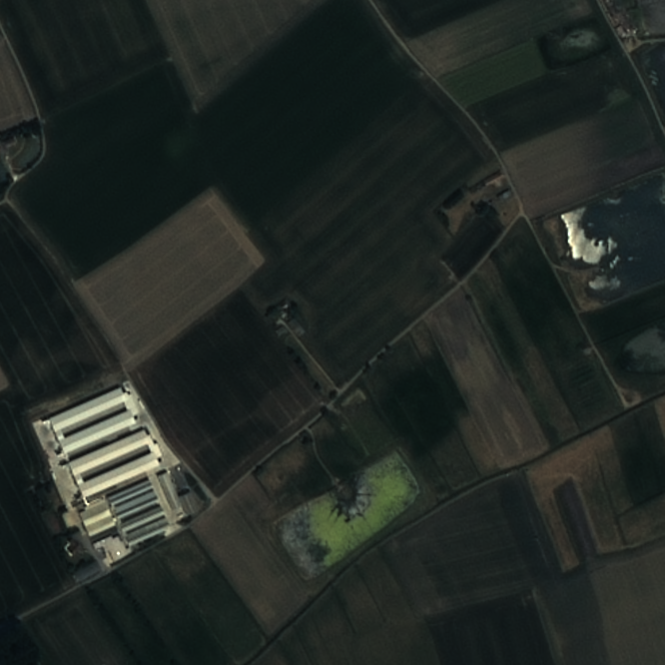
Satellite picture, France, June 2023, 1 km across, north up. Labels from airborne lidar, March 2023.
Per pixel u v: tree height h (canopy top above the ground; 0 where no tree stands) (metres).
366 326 0
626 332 0
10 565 0
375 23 0
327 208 0
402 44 0
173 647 0
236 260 0
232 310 0
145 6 0
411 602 0
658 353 0
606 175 0
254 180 0
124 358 0
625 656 0
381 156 0
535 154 0
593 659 0
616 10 0
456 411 0
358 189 0
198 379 0
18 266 0
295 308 12
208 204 0
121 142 0
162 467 0
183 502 0
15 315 0
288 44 0
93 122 0
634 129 0
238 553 0
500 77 0
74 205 0
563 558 0
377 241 0
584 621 0
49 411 0
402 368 0
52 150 0
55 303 0
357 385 0
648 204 0
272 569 0
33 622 0
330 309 0
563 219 0
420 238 0
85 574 0
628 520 0
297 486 0
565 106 0
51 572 0
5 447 0
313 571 0
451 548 0
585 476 0
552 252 0
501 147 0
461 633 0
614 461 0
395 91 0
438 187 0
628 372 0
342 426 0
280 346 0
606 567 0
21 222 0
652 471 0
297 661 0
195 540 0
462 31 0
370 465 0
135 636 0
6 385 0
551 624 0
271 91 0
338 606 0
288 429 0
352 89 0
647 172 0
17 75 0
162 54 0
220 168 0
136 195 0
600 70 0
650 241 0
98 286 0
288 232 0
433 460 0
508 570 0
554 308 0
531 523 0
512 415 0
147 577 0
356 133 0
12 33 0
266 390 0
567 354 0
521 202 0
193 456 0
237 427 0
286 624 0
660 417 0
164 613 0
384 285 0
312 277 0
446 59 0
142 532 0
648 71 0
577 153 0
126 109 0
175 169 0
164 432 0
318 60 0
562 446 0
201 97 0
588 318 0
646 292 0
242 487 0
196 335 0
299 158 0
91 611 0
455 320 0
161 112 0
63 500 0
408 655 0
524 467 0
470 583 0
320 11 0
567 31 0
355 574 0
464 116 0
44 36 0
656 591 0
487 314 0
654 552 0
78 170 0
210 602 0
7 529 0
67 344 0
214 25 0
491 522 0
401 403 0
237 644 0
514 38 0
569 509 0
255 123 0
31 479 0
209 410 0
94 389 0
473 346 0
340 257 0
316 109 0
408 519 0
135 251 0
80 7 0
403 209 0
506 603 0
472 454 0
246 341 0
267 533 0
